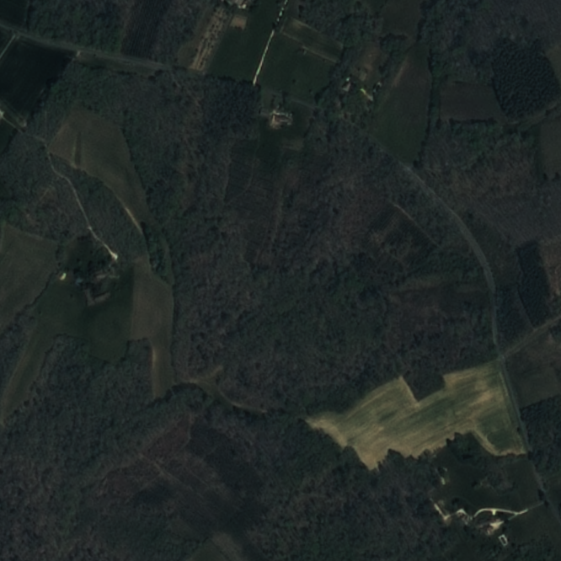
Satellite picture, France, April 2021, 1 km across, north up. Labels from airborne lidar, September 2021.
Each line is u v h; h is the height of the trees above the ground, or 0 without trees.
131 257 19
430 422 0
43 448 13
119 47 18
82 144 0
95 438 11
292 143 0
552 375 0
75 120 0
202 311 6
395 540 15
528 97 18
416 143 0
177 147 15
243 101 21
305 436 19
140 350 12
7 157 16
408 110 0
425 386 8
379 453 0
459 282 11
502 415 0
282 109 8
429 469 18
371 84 0
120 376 10
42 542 19
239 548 0
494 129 21
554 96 16
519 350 0
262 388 11
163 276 15
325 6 14
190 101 20
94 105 18
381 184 14
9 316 0
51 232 17
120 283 0
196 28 19
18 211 18
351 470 18
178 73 19
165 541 13
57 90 23
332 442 17
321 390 14
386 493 13
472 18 22
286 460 20
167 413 22
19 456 13
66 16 23
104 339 0
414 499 23
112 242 18
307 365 13
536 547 8
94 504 8
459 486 0
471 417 0
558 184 13
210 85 15
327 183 14
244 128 21
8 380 11
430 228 14
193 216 14
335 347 11
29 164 21
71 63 16
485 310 15
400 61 20
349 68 16
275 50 0
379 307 12
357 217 6
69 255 0
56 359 12
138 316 0
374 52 0
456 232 20
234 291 10
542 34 18
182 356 17
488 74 29
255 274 13
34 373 0
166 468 6
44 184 18
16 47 0
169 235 16
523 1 13
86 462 15
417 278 14
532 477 0
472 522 18
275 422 19
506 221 15
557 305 13
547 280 18
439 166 14
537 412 11
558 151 0
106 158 0
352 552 16
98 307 0
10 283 0
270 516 17
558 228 17
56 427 7
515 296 13
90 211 19
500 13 16
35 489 13
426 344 6
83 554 9
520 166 18
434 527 20
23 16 0
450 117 0
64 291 0
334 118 18
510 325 15
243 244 9
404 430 0
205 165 18
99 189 20
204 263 7
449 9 17
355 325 17
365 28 16
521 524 0
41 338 0
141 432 19
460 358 6
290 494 7
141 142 19
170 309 0
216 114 16
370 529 20
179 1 24
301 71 0
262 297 19
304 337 21
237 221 9
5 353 16
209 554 0
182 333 16
